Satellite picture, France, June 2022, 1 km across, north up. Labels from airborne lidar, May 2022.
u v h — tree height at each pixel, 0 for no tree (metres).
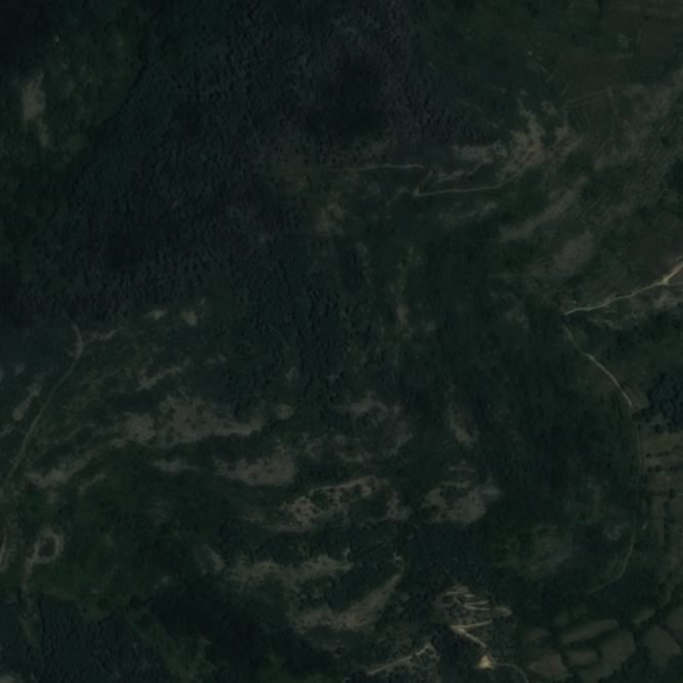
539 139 0
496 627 6
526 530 6
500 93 0
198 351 0
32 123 5
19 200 12
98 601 6
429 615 17
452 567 15
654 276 0
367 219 11
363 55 7
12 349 0
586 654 0
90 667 23
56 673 15
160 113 27
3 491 0
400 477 11
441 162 0
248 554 16
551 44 0
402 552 17
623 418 9
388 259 0
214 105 12
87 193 28
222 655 10
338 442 0
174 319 0
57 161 7
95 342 0
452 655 15
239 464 0
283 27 18
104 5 26
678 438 0
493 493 0
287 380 0
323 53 7
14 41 19
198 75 11
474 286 6
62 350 0
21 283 9
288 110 13
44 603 18
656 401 27
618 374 0
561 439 7
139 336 0
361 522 11
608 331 9
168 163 11
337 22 7
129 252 8
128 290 15
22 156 10
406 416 8
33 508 7
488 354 6
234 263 13
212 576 12
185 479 6
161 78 28
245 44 20
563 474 6
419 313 0
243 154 12
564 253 0
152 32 12
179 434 0
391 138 8
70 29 10
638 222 0
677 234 0
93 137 11
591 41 0
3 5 16
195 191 15
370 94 7
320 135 7
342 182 0
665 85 0
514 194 0
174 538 6
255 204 12
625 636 0
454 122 10
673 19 0
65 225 6
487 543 18
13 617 19
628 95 0
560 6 0
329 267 0
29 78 7
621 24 0
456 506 0
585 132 0
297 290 18
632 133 0
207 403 0
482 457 6
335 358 17
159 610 14
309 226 0
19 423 9
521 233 0
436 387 7
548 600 17
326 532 11
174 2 13
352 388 9
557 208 0
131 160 27
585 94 0
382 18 14
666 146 10
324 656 14
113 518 12
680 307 9
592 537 7
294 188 0
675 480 0
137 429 0
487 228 7
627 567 0
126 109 17
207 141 18
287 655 16
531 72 0
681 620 0
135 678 15
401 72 12
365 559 15
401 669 8
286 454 0
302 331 19
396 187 0
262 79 15
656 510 0
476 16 0
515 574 6
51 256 12
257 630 19
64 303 9
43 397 0
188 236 12
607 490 9
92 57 13
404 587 12
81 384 0
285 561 15
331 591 14
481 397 6
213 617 25
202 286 9
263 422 0
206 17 10
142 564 9
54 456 7
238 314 6
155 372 0
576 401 10
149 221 14
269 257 11
